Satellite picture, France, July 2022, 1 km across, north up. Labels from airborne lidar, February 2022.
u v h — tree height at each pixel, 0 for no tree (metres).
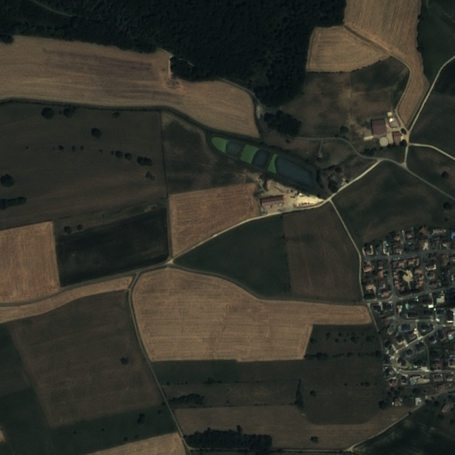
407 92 0
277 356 0
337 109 0
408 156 0
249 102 0
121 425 0
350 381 0
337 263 0
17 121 0
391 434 0
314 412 0
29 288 0
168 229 0
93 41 15
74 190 0
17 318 0
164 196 0
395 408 0
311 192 0
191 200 0
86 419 0
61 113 6
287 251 0
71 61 0
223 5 24
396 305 0
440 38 0
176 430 0
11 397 0
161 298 0
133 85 0
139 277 0
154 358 0
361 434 0
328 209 0
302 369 0
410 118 0
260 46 26
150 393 0
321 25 17
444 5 0
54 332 0
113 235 0
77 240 0
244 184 0
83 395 0
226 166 0
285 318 0
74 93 0
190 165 0
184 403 7
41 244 0
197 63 19
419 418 0
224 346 0
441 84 0
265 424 0
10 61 0
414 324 0
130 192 0
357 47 0
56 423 0
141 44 20
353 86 0
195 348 0
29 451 0
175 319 0
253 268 0
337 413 0
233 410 0
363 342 0
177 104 0
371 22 0
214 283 0
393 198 0
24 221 0
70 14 14
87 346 0
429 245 0
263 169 0
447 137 0
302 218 0
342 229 0
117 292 0
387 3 0
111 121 0
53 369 0
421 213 0
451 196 0
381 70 0
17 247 0
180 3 22
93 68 0
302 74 18
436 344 0
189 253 0
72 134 0
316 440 11
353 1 0
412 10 0
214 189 0
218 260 0
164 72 0
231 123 0
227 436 19
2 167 0
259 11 27
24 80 0
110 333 0
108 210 0
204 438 17
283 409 0
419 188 0
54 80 0
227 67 20
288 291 0
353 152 0
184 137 0
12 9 25
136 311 0
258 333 0
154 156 0
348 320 0
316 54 0
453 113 0
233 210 0
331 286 0
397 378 0
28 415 0
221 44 21
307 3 30
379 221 0
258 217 0
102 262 0
